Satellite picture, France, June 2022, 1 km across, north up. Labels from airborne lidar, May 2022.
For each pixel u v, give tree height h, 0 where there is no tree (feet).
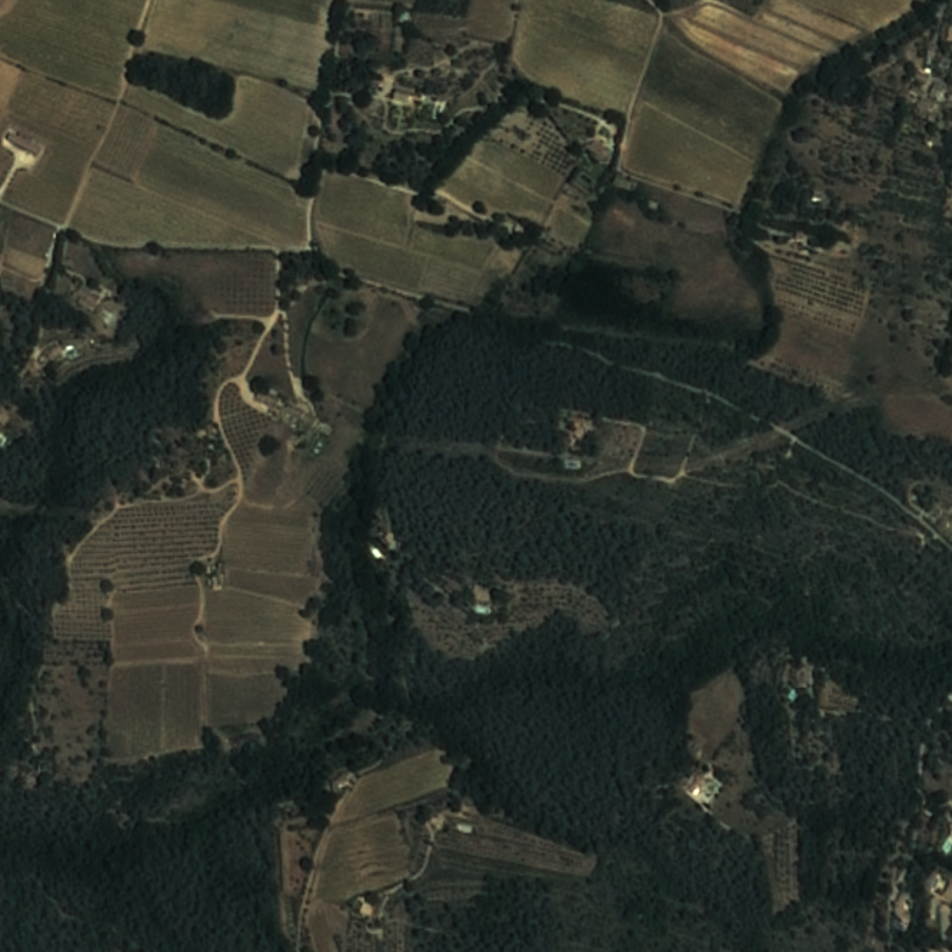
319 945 0
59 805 63
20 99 0
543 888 21
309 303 0
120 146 0
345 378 0
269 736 31
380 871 0
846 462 62
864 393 0
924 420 0
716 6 0
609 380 66
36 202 0
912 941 32
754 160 0
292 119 0
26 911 43
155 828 31
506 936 40
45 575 36
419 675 54
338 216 0
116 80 0
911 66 24
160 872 46
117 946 27
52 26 0
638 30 0
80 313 40
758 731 31
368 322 0
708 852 39
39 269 0
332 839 0
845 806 35
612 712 44
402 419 60
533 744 57
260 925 33
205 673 0
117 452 51
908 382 0
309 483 0
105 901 59
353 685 39
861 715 38
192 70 53
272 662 0
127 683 0
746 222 39
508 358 58
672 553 21
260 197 0
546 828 80
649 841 60
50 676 25
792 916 34
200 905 56
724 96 0
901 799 56
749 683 53
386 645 60
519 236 40
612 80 0
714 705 0
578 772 51
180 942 67
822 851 53
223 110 57
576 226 0
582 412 56
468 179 0
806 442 50
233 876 54
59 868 56
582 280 25
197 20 0
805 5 0
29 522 47
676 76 0
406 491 47
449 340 69
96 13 0
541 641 59
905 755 44
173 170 0
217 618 0
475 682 76
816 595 25
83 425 70
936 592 48
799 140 52
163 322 33
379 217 0
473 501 57
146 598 0
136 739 0
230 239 0
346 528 44
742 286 0
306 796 23
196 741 0
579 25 0
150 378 49
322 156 46
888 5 0
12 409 31
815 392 56
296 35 0
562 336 31
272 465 0
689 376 41
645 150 0
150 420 61
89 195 0
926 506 53
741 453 0
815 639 44
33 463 69
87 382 59
